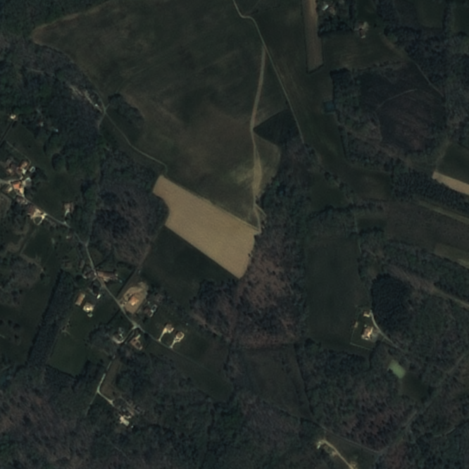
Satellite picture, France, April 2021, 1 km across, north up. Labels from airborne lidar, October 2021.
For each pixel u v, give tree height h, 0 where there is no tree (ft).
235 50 0
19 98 73
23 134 0
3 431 54
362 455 0
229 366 43
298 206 45
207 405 38
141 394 82
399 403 42
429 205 0
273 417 46
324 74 0
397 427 31
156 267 0
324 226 55
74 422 55
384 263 34
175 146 0
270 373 0
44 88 98
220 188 0
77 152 99
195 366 0
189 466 30
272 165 0
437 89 74
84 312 0
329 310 0
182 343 0
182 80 0
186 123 0
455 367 66
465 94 56
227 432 49
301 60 0
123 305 0
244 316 23
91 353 0
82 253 53
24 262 53
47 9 63
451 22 70
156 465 33
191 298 0
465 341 65
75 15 51
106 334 52
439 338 36
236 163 0
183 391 63
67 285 47
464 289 62
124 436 25
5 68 67
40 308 0
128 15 0
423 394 0
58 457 52
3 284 24
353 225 35
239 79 0
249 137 0
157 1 0
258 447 60
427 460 51
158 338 0
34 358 39
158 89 0
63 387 49
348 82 52
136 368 50
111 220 58
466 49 54
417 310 62
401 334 67
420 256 59
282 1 0
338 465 0
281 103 0
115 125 0
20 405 53
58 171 74
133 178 31
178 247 0
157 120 0
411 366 61
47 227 39
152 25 0
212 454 32
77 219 45
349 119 43
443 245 0
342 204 0
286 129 18
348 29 58
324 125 0
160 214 45
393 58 0
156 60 0
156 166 0
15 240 0
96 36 0
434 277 73
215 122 0
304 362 61
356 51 0
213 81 0
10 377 34
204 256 0
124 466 38
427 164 38
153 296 52
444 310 72
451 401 33
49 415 54
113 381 0
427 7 0
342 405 33
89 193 94
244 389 52
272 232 55
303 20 0
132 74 0
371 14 0
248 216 0
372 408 23
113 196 39
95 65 0
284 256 38
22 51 68
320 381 65
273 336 39
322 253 0
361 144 33
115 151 26
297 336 57
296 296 40
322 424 66
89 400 55
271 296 24
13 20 75
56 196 0
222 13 0
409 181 58
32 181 30
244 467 62
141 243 47
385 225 0
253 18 0
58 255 27
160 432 52
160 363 52
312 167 53
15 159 22
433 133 47
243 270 0
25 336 0
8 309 0
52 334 44
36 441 70
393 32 42
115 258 73
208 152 0
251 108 0
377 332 0
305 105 0
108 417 21
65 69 52
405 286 67
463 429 47
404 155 29
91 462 31
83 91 62
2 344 0
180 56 0
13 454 77
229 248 0
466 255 0
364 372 70
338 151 0
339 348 0
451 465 45
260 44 0
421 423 45
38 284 0
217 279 0
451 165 0
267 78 0
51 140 46
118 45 0
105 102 0
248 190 0
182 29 0
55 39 0
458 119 68
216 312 48
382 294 61
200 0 0
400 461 31
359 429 48
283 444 55
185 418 18
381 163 32
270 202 34
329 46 0
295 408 0
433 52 42
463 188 0
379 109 0
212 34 0
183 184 0
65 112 65
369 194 0
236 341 44
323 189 0
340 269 0
